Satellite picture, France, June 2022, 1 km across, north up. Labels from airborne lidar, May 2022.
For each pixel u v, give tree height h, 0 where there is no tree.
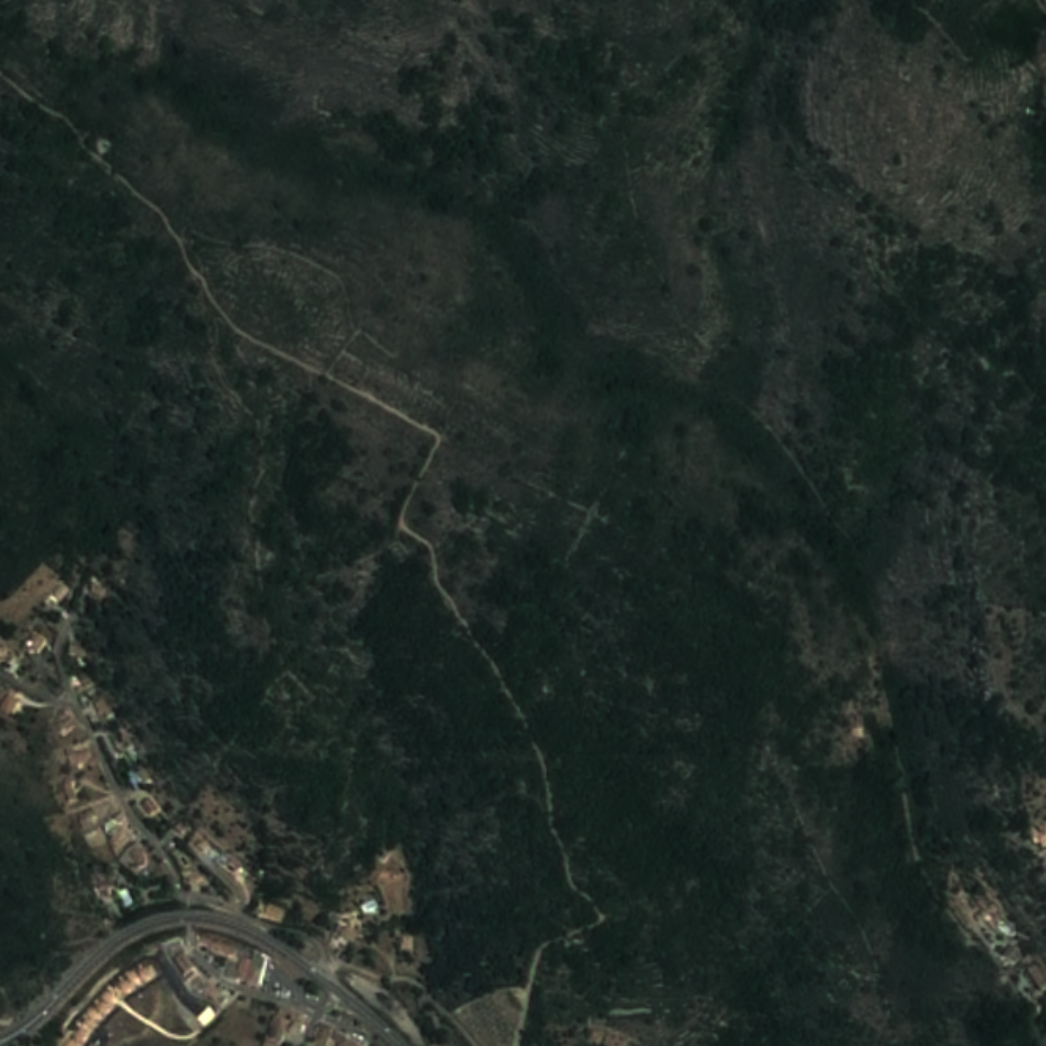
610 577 6
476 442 0
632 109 6
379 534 8
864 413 8
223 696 5
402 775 6
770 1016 6
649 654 6
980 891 11
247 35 0
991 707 9
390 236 0
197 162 0
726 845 6
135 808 0
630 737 10
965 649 5
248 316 0
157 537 6
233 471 7
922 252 8
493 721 10
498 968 7
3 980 6
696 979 6
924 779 6
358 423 0
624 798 8
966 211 0
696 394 7
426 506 6
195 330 8
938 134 0
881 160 0
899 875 10
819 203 0
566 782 8
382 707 8
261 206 0
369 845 7
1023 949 6
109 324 7
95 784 0
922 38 7
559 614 10
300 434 7
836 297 0
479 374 0
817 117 0
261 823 9
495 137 6
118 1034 0
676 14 0
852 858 6
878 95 0
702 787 6
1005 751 7
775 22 6
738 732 9
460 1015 0
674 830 8
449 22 0
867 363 9
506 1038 0
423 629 6
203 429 7
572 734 6
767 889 7
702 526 8
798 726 5
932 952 7
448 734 8
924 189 0
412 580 7
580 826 7
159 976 0
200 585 7
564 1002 7
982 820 8
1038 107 6
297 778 7
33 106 7
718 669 8
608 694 7
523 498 0
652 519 7
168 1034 0
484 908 7
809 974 8
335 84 0
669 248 0
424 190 9
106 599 13
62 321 10
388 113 11
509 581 8
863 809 6
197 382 6
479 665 7
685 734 8
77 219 6
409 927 11
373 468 0
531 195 7
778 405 0
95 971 0
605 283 0
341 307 0
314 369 0
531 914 6
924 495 7
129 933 0
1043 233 0
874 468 5
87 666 10
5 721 6
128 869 7
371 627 10
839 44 0
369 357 0
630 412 11
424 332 0
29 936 9
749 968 9
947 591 9
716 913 7
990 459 5
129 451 8
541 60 9
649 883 6
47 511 9
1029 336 8
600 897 5
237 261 0
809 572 10
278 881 7
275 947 0
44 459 8
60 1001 0
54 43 8
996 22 7
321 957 0
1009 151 0
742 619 6
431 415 0
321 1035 0
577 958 9
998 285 6
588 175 8
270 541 8
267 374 7
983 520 0
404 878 0
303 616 8
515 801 7
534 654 6
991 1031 10
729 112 8
